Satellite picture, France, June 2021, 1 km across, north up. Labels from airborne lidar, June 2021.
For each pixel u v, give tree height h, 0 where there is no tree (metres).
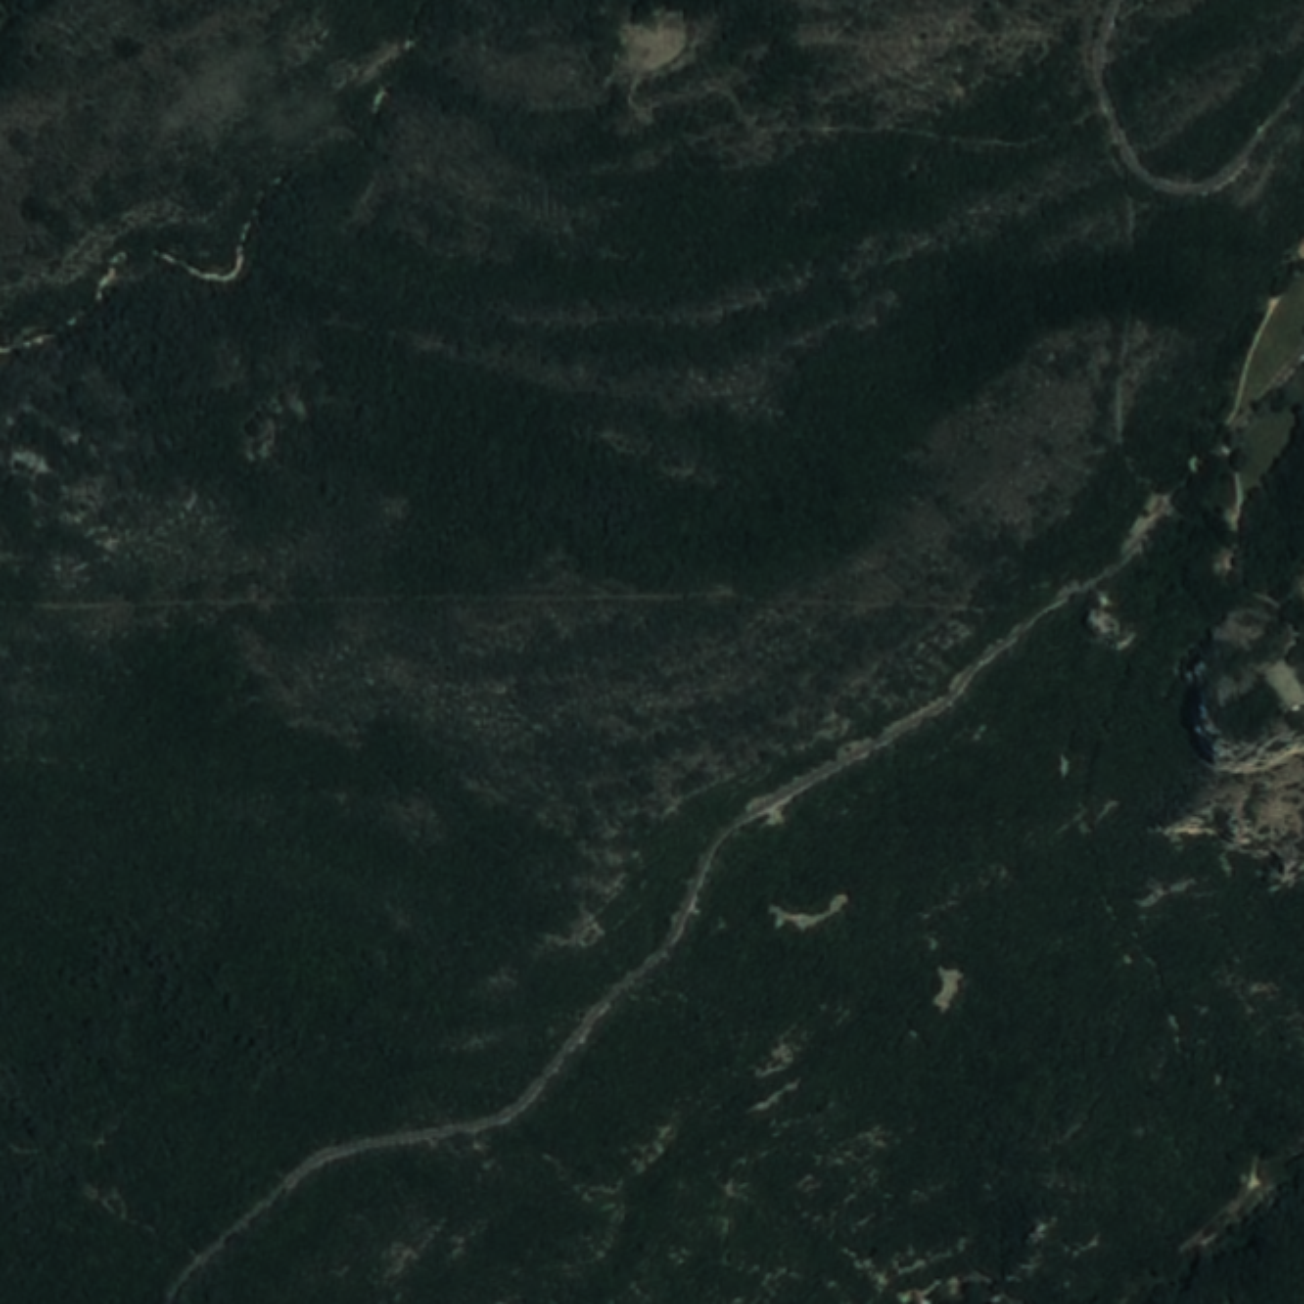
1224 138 7
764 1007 11
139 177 7
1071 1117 7
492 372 7
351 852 9
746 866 10
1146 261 9
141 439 6
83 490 0
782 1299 9
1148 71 6
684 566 8
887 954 11
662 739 6
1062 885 11
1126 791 11
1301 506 8
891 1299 11
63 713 5
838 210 6
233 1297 8
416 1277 6
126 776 8
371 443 6
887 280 6
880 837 11
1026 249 6
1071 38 6
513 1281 6
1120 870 12
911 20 0
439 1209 7
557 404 6
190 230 6
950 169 5
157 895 7
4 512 6
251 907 7
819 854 10
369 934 7
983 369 9
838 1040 10
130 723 8
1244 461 15
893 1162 10
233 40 7
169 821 8
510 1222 7
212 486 6
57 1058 10
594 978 6
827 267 6
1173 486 9
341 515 6
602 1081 6
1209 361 9
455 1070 5
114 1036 9
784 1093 7
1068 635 7
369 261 6
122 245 10
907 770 8
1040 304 11
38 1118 11
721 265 7
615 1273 8
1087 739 13
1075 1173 7
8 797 6
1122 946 8
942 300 7
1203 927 7
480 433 8
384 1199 6
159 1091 7
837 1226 7
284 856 6
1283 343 0
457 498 7
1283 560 13
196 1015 7
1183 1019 9
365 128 12
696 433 7
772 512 11
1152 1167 10
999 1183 10
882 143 6
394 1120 5
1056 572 8
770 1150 13
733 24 7
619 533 9
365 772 7
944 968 7
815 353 6
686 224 7
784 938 11
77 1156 7
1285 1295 11
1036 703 13
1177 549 8
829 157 6
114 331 8
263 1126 5
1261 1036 6
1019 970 10
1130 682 12
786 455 7
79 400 7
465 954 7
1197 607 6
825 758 10
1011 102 5
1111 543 10
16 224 0
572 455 6
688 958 7
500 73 0
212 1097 6
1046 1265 7
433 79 9
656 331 6
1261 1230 17
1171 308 13
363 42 6
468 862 7
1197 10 8
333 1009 6
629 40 0
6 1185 9
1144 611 9
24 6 10
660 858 6
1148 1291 9
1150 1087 10
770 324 6
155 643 7
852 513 10
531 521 7
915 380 9
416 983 7
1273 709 8
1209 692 8
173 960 15
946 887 9
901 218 6
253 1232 7
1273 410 11
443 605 6
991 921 8
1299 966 9
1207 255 9
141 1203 7
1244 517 9
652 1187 8
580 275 7
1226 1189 15
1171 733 9
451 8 7
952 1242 7
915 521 0
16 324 9
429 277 6
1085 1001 8
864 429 10
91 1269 6
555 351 6
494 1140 7
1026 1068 13
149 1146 7
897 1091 8
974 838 11
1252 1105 16
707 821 6
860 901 9
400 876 7
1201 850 9
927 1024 11
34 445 7
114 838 7
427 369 7
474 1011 7
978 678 12
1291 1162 8
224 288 9
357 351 7
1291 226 8
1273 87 9
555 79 0
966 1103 12
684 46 0
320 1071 6
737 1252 7
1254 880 7
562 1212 9
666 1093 6
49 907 6
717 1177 6
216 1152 6
